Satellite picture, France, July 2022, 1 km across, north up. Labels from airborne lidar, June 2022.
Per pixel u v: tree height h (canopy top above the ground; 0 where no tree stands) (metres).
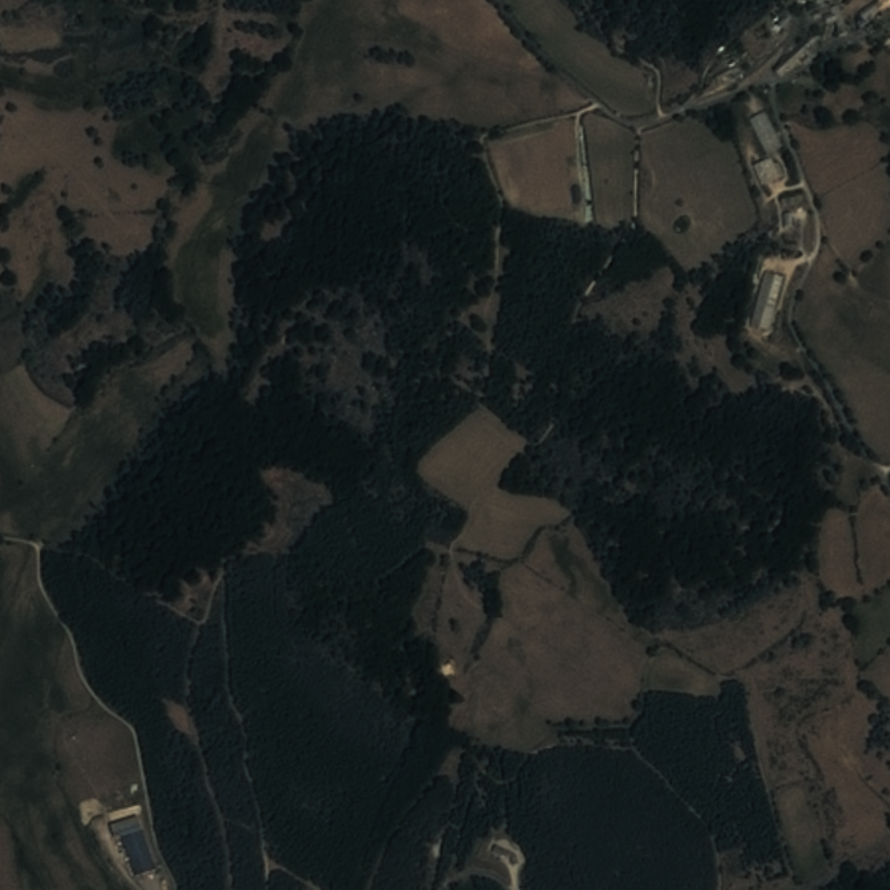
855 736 0
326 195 14
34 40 0
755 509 16
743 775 10
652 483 8
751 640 0
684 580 14
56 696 0
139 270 15
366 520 13
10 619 0
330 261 13
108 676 12
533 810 9
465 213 12
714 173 0
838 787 0
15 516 0
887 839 0
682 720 10
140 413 0
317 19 0
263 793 11
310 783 10
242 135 0
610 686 0
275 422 16
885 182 0
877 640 0
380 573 13
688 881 9
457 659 0
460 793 9
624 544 16
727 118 14
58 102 0
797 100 0
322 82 0
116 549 12
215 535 14
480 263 14
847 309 0
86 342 0
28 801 0
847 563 0
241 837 8
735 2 17
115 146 0
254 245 15
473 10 0
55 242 0
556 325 17
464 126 8
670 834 11
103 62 0
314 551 12
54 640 0
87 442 0
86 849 0
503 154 0
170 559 20
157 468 19
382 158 13
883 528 0
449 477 0
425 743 17
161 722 13
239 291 17
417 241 14
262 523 17
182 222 0
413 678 6
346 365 0
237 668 10
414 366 11
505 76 0
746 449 15
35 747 0
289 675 9
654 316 0
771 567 18
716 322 14
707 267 13
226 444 22
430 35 0
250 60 19
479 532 0
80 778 0
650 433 17
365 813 12
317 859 11
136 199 0
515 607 0
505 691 0
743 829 10
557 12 0
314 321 9
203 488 19
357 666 9
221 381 17
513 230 14
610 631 0
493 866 0
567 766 10
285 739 11
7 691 0
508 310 17
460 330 11
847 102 0
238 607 13
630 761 10
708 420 12
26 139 0
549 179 0
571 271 9
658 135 0
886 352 0
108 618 11
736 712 12
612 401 13
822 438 11
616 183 0
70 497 0
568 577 0
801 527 16
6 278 13
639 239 10
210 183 0
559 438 14
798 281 0
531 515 0
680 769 13
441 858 9
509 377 15
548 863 7
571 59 0
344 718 8
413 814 9
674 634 0
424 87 0
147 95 17
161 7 8
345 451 14
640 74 0
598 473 8
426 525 10
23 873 0
